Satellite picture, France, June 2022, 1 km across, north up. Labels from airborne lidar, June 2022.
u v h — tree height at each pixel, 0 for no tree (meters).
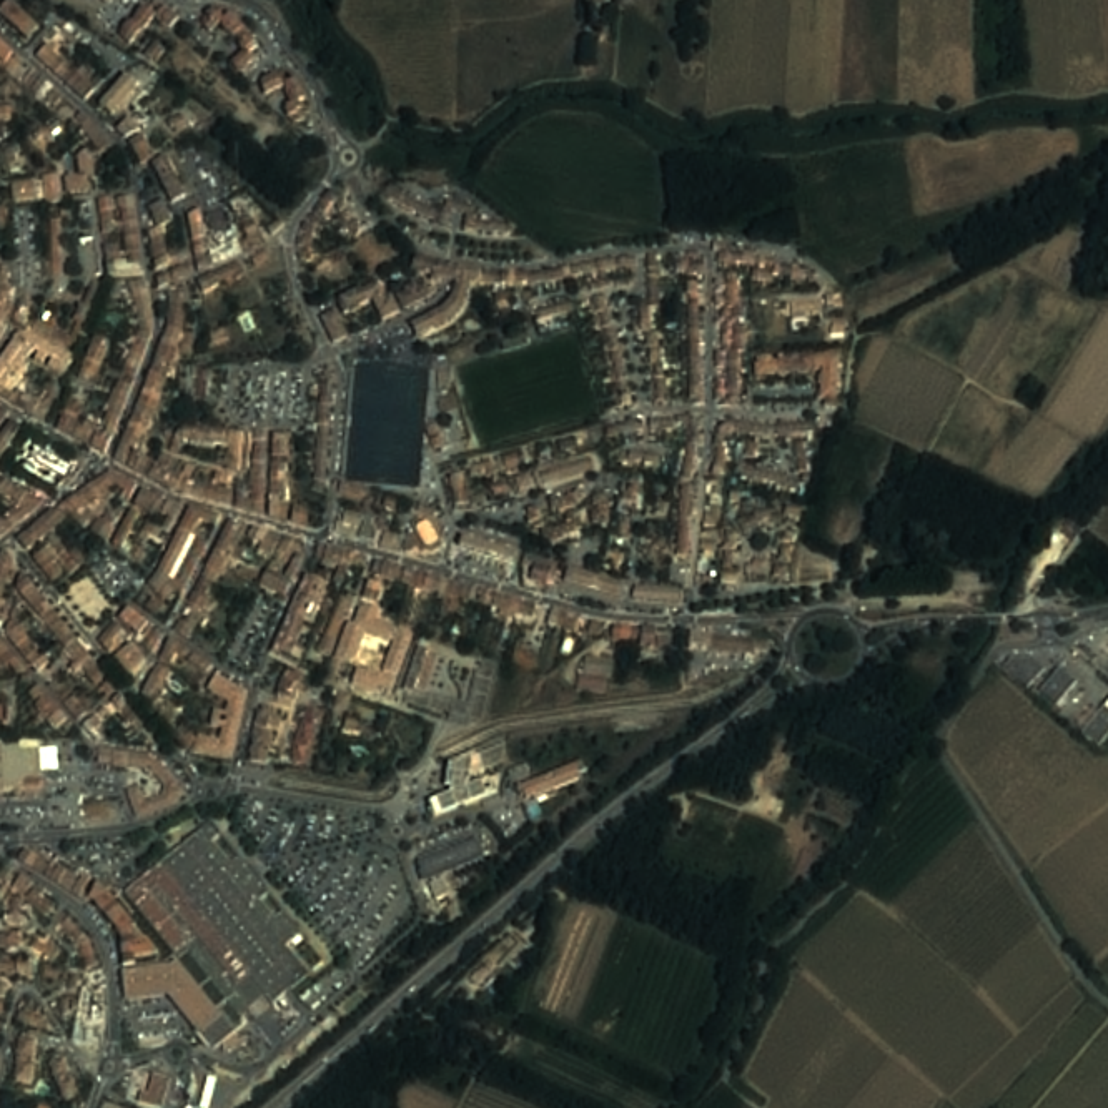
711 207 25
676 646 13
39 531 0
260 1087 6
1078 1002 0
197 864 0
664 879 18
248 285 0
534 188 0
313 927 8
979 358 0
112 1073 0
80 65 7
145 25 0
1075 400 0
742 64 0
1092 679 0
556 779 0
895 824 6
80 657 0
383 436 0
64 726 0
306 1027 0
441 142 10
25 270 0
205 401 5
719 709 10
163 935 0
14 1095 14
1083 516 22
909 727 19
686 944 21
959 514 17
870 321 10
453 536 0
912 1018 0
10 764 0
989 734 0
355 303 0
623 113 8
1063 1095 0
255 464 0
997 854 0
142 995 0
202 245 0
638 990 0
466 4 0
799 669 0
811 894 22
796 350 10
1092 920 0
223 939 0
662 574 12
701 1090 9
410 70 0
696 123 13
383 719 14
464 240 12
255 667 5
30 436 14
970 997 0
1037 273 0
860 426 0
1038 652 0
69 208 10
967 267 19
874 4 0
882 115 8
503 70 0
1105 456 13
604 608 9
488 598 0
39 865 0
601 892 20
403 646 0
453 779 0
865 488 0
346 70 14
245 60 0
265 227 6
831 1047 0
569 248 6
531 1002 0
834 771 13
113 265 0
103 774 0
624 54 0
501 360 0
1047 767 0
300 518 0
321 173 0
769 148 8
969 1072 0
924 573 26
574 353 0
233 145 19
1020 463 0
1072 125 7
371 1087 16
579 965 0
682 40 18
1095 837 0
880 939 0
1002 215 19
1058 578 14
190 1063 0
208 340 9
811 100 0
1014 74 11
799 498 11
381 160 7
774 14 0
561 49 0
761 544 10
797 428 0
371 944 0
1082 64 0
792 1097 0
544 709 0
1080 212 23
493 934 8
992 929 0
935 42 0
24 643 0
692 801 13
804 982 0
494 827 12
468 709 0
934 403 0
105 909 0
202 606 0
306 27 6
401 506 9
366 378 0
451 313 0
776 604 13
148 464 0
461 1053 23
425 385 0
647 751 0
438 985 7
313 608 0
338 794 0
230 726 0
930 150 0
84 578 8
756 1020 9
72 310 11
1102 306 0
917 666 0
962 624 9
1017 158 0
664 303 10
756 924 8
